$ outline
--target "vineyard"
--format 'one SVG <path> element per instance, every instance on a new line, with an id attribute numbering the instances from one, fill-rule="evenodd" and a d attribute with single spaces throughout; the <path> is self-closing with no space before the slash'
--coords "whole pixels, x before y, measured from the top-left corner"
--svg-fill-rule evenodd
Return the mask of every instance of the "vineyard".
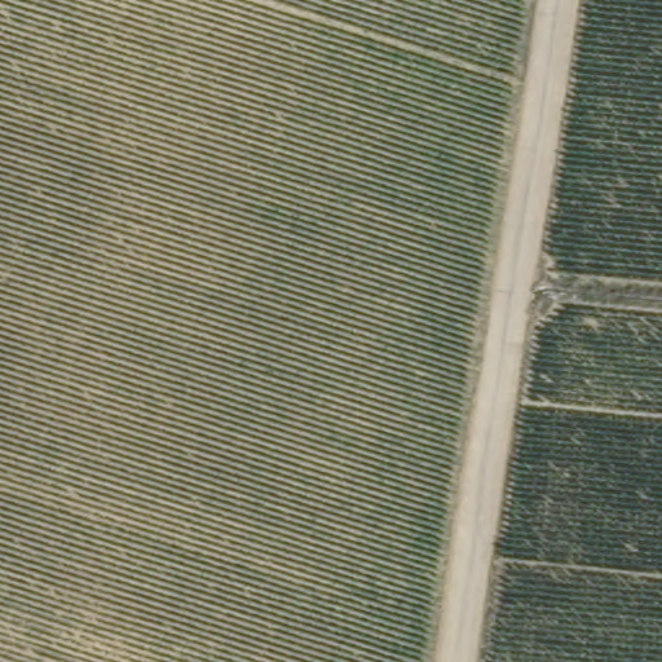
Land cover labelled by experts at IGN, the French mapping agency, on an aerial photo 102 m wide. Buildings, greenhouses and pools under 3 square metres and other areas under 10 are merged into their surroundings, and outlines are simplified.
<path id="1" fill-rule="evenodd" d="M 515 396 L 512 445 L 502 489 L 499 530 L 489 564 L 478 662 L 662 662 L 662 0 L 582 0 L 579 26 L 574 36 L 569 93 L 564 103 L 561 160 L 556 166 L 553 197 L 548 202 L 546 235 L 540 246 L 543 251 L 538 253 L 538 266 L 530 284 L 533 297 L 528 303 L 522 365 Z"/>
<path id="2" fill-rule="evenodd" d="M 453 540 L 453 512 L 458 509 L 458 486 L 463 473 L 463 458 L 468 450 L 468 424 L 476 406 L 484 347 L 489 334 L 491 284 L 494 272 L 499 266 L 502 220 L 507 209 L 509 176 L 515 168 L 515 145 L 520 140 L 520 114 L 528 83 L 538 0 L 0 0 L 0 662 L 434 662 L 445 577 L 450 569 L 447 548 Z"/>

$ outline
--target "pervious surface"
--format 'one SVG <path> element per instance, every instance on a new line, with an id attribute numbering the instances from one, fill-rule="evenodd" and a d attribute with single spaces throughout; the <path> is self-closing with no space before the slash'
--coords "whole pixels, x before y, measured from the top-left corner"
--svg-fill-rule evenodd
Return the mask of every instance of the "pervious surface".
<path id="1" fill-rule="evenodd" d="M 579 26 L 582 0 L 538 0 L 528 83 L 520 114 L 520 140 L 515 145 L 515 168 L 509 176 L 507 209 L 502 220 L 499 266 L 494 272 L 491 284 L 489 334 L 484 347 L 476 406 L 468 424 L 468 450 L 463 458 L 463 473 L 458 486 L 458 509 L 453 512 L 453 540 L 447 548 L 450 569 L 445 577 L 434 662 L 478 662 L 489 564 L 499 530 L 502 489 L 512 445 L 515 396 L 522 365 L 528 303 L 533 297 L 530 284 L 538 266 L 538 253 L 543 251 L 540 246 L 546 235 L 548 202 L 553 197 L 556 166 L 561 160 L 564 103 L 569 93 L 574 36 Z"/>

